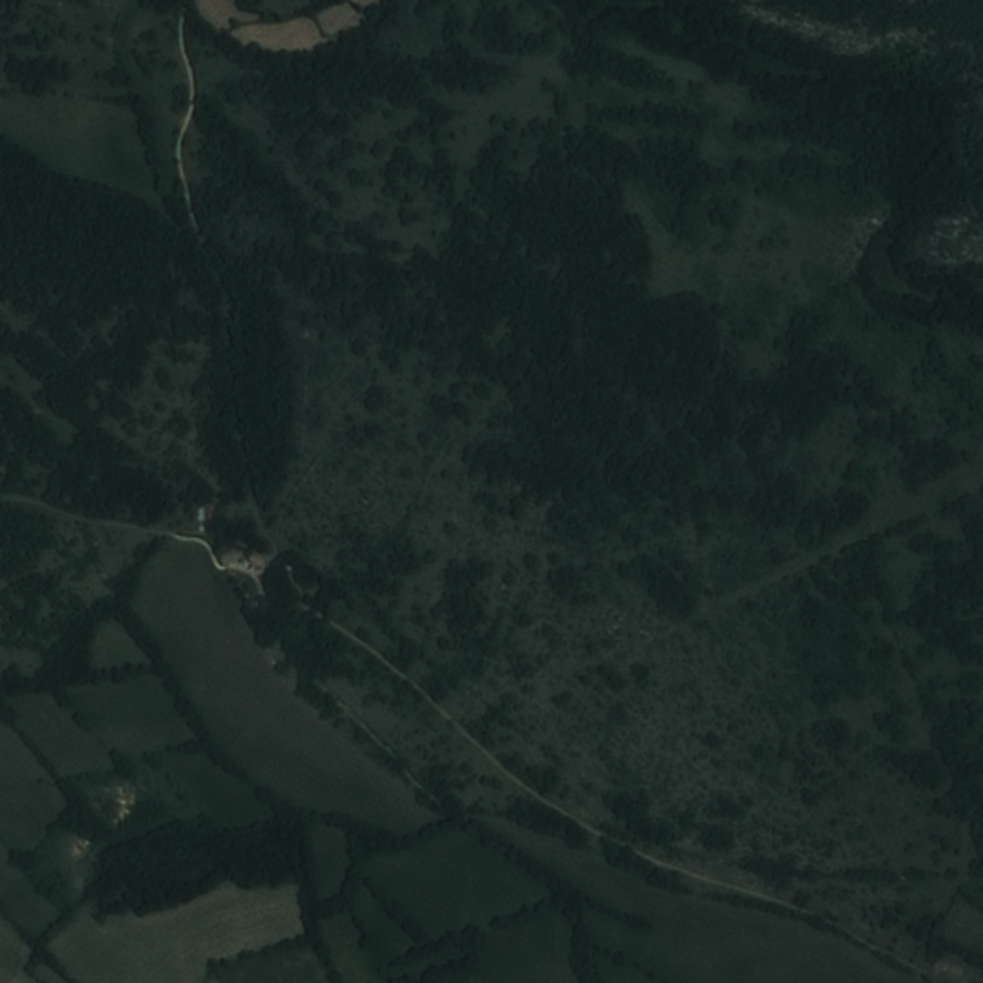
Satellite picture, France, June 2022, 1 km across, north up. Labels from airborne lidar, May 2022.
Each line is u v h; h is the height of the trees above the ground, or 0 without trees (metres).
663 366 11
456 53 10
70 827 10
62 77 8
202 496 9
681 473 13
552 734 0
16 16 8
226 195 8
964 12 9
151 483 10
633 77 12
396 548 7
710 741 8
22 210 10
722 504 9
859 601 9
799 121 14
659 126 15
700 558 0
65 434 0
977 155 11
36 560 7
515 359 12
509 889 0
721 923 0
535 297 9
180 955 0
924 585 9
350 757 0
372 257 9
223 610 0
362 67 9
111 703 0
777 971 0
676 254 0
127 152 0
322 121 11
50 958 13
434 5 8
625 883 0
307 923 14
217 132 11
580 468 6
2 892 0
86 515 9
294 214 7
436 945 14
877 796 0
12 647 6
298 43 0
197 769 0
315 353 0
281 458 10
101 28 8
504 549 0
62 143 0
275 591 11
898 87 20
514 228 7
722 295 0
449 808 11
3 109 0
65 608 7
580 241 9
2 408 14
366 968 0
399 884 0
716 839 10
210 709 0
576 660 0
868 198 7
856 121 13
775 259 0
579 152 13
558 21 7
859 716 0
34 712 0
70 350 8
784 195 7
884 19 10
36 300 11
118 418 10
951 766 10
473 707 0
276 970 0
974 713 7
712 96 0
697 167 13
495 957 0
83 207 14
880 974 0
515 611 6
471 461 7
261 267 7
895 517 0
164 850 13
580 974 15
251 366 16
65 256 9
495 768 0
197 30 11
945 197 12
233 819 0
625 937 0
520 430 12
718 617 0
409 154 12
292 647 9
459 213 8
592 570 7
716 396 7
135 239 10
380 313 8
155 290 8
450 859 0
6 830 0
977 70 10
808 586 6
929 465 13
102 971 0
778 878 7
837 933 8
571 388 8
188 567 0
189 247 14
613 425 10
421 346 7
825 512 15
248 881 18
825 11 10
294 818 14
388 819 0
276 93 12
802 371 7
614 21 12
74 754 0
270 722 0
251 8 12
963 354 0
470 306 12
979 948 0
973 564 12
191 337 6
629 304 11
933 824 0
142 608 0
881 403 9
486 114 0
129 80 11
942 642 10
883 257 0
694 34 18
